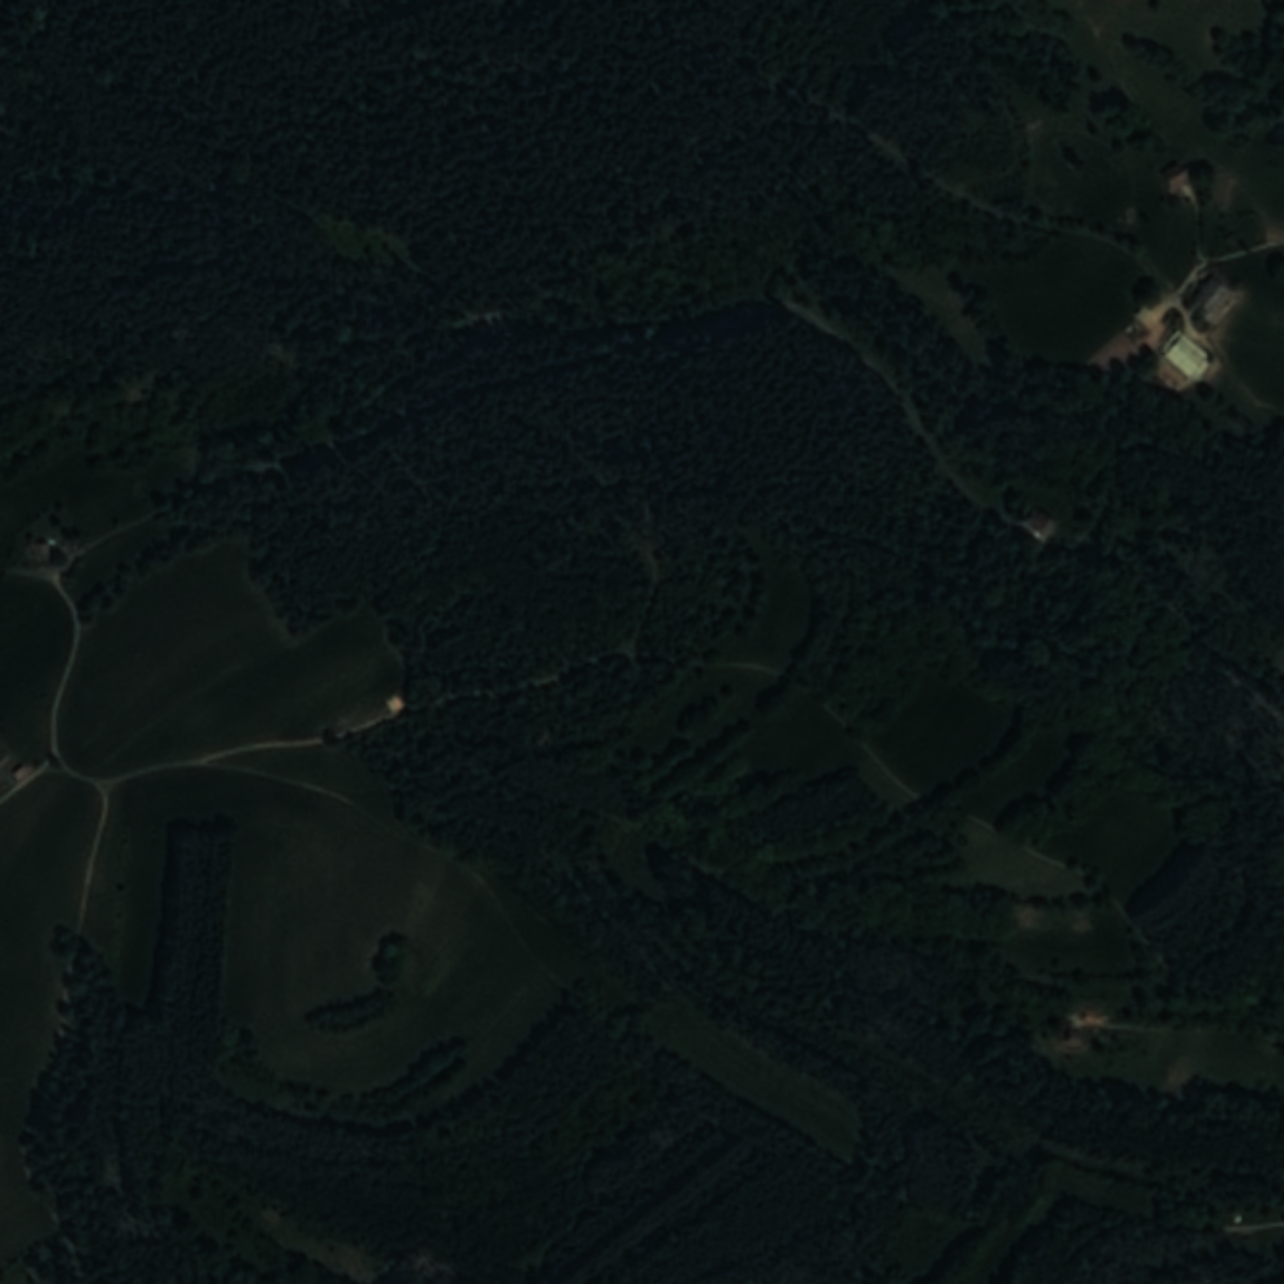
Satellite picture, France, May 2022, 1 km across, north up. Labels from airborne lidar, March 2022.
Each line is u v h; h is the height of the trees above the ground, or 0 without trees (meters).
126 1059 25
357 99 26
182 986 21
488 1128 12
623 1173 24
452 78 32
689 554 10
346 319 27
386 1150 18
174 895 22
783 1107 0
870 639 13
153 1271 24
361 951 0
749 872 30
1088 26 0
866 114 30
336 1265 0
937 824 22
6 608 0
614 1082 10
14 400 11
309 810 0
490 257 33
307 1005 0
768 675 0
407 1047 0
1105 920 0
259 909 0
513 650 9
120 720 0
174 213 36
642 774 9
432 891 0
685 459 29
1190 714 29
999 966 20
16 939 0
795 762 0
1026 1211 18
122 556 0
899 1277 8
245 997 0
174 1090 23
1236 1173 15
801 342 35
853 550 13
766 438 33
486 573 13
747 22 10
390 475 30
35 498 0
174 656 0
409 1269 24
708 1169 27
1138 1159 13
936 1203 20
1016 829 13
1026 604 22
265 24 30
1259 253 0
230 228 33
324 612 10
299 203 29
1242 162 0
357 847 0
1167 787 18
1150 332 0
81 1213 24
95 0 16
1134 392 25
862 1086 31
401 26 32
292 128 31
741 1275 24
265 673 0
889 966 33
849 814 16
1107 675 31
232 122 30
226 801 0
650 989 25
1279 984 22
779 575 0
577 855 9
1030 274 0
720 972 27
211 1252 29
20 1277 0
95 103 29
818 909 27
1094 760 25
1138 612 23
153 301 31
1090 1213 16
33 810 0
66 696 0
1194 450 22
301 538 12
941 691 0
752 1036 28
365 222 31
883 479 7
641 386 26
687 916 32
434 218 35
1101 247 0
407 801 13
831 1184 15
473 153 30
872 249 9
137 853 0
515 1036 0
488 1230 15
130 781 0
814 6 11
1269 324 0
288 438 30
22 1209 0
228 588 0
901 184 27
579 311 32
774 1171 18
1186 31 0
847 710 16
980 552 22
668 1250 17
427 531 13
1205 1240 17
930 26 28
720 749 15
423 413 28
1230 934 15
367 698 0
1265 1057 0
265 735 0
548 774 16
